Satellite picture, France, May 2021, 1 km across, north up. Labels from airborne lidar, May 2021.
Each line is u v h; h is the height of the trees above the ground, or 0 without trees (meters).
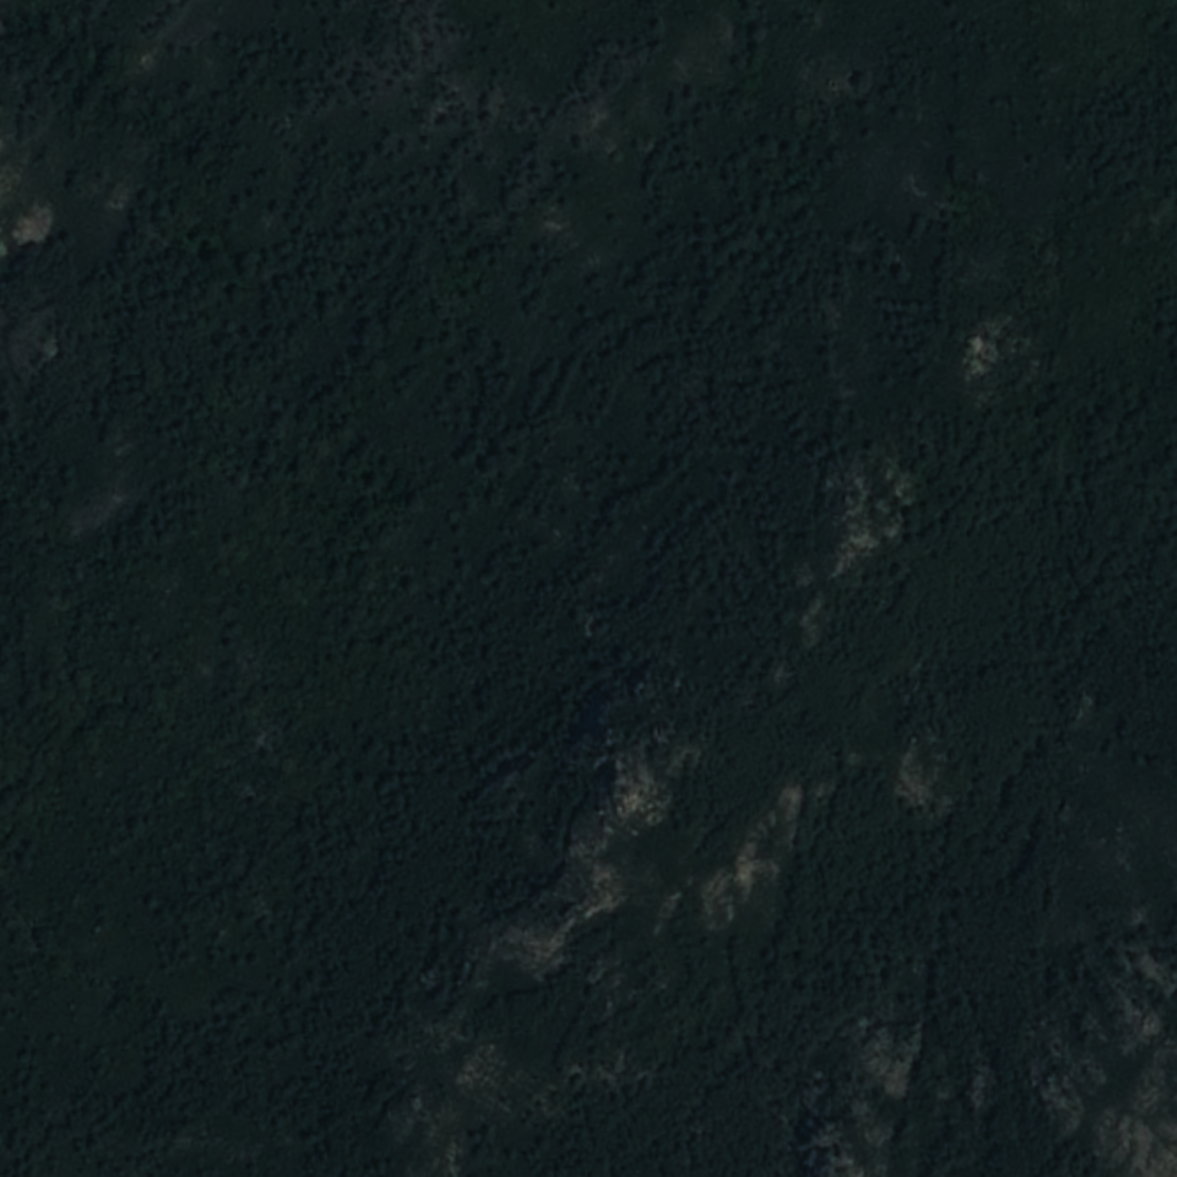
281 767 13
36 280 20
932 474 7
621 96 5
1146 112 16
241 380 11
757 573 18
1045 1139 17
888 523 9
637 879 0
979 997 24
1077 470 9
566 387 16
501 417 20
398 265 7
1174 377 7
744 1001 19
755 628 18
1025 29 5
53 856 6
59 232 5
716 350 18
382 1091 17
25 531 16
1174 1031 11
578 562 15
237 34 9
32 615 7
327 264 22
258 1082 13
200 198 6
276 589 10
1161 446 7
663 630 17
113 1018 9
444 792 22
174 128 15
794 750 17
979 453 23
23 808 17
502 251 18
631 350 21
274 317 20
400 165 5
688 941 12
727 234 14
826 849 18
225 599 8
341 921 18
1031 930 22
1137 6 9
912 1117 6
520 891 15
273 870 7
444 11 7
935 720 11
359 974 17
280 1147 7
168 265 19
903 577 24
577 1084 16
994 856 23
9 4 5
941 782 5
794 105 7
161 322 20
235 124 16
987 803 21
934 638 17
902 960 8
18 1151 17
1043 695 16
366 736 6
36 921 12
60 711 16
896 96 12
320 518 11
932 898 23
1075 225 8
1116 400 25
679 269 6
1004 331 8
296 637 9
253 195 16
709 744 12
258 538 6
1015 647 19
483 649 6
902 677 14
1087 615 18
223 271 25
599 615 12
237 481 17
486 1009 12
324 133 7
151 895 11
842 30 6
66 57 29
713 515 19
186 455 6
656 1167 18
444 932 14
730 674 13
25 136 17
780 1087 19
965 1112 6
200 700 9
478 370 6
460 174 5
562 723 11
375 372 20
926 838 17
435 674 14
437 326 7
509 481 6
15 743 15
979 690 20
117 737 8
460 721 16
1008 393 12
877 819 24
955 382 6
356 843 16
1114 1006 15
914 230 16
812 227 18
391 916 18
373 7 7
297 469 20
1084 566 20
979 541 19
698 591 15
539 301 15
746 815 17
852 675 12
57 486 9
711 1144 19
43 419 12
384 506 15
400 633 11
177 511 7
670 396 17
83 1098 16
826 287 16
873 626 19
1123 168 20
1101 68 10
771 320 16
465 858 17
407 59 14
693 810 15
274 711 6
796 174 16
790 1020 17
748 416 18
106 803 6
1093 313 6
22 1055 12
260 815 11
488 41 7
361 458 23
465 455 20
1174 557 7
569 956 12
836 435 15
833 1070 6
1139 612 15
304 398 7
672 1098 19
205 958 6
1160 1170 0
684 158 18
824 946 18
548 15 5
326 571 10
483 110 10
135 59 12
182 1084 13
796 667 13
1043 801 23
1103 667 20
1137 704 23
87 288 22
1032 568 19
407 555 6
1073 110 11
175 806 7
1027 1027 20
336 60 16
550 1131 13
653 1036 11
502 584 14
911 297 6
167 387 9
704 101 6
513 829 7
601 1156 18
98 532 6
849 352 6
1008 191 5
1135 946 20
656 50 16
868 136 12
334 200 6
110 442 13
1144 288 7
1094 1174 14
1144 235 11
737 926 5
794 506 17
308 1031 13
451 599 16
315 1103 15
